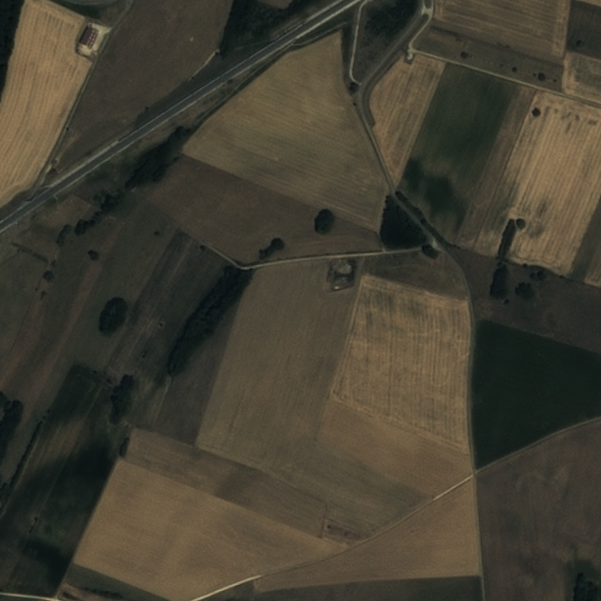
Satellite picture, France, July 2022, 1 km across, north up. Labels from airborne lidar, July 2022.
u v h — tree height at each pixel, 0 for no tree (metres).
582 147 0
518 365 0
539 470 0
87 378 0
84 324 0
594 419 0
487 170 0
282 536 0
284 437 0
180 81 0
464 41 0
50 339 0
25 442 0
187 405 0
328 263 0
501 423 0
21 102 0
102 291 0
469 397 0
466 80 0
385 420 0
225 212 0
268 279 0
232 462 0
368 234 0
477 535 0
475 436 0
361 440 0
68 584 0
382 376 0
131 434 0
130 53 0
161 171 6
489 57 0
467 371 0
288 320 0
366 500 0
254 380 0
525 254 0
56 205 0
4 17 31
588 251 0
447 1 0
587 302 0
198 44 0
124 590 0
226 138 0
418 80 0
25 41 0
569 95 0
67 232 10
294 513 0
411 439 0
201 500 0
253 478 0
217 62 0
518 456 0
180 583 0
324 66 0
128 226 0
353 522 0
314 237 0
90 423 0
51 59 0
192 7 0
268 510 0
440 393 0
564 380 0
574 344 0
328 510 0
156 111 0
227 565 0
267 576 0
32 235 0
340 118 0
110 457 0
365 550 0
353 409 0
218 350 0
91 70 0
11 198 0
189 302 0
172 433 0
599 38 0
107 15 0
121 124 0
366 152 0
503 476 0
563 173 0
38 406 0
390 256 0
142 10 0
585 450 0
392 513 0
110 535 0
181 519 0
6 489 8
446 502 0
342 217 0
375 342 0
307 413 0
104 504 0
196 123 0
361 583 0
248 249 0
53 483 0
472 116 0
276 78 0
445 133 0
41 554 0
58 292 0
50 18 0
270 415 0
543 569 0
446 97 0
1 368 0
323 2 0
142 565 0
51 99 0
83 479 0
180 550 0
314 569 0
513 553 0
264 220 0
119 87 0
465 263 0
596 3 0
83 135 0
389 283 0
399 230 12
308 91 0
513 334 0
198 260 0
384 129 0
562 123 0
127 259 0
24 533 0
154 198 0
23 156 0
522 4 0
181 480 0
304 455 0
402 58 0
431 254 16
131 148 0
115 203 19
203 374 0
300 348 0
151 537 0
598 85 0
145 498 0
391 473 0
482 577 0
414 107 0
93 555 0
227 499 0
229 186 0
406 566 0
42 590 0
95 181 0
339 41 0
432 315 0
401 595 0
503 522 0
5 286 0
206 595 0
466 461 0
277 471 0
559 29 0
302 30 0
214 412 0
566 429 0
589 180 0
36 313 0
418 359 0
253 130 0
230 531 0
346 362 0
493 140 0
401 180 0
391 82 0
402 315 0
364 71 0
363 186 0
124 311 19
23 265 0
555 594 0
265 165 0
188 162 0
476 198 0
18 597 0
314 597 0
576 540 0
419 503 0
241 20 13
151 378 0
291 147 0
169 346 0
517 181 0
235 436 0
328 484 0
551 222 0
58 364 0
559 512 0
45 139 0
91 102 0
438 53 0
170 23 0
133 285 0
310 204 0
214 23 0
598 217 0
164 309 0
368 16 0
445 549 0
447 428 0
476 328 0
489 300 0
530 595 0
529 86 0
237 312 0
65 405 0
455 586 0
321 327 0
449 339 0
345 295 0
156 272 0
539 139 0
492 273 0
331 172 0
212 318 18
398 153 0
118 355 0
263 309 0
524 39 0
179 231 0
